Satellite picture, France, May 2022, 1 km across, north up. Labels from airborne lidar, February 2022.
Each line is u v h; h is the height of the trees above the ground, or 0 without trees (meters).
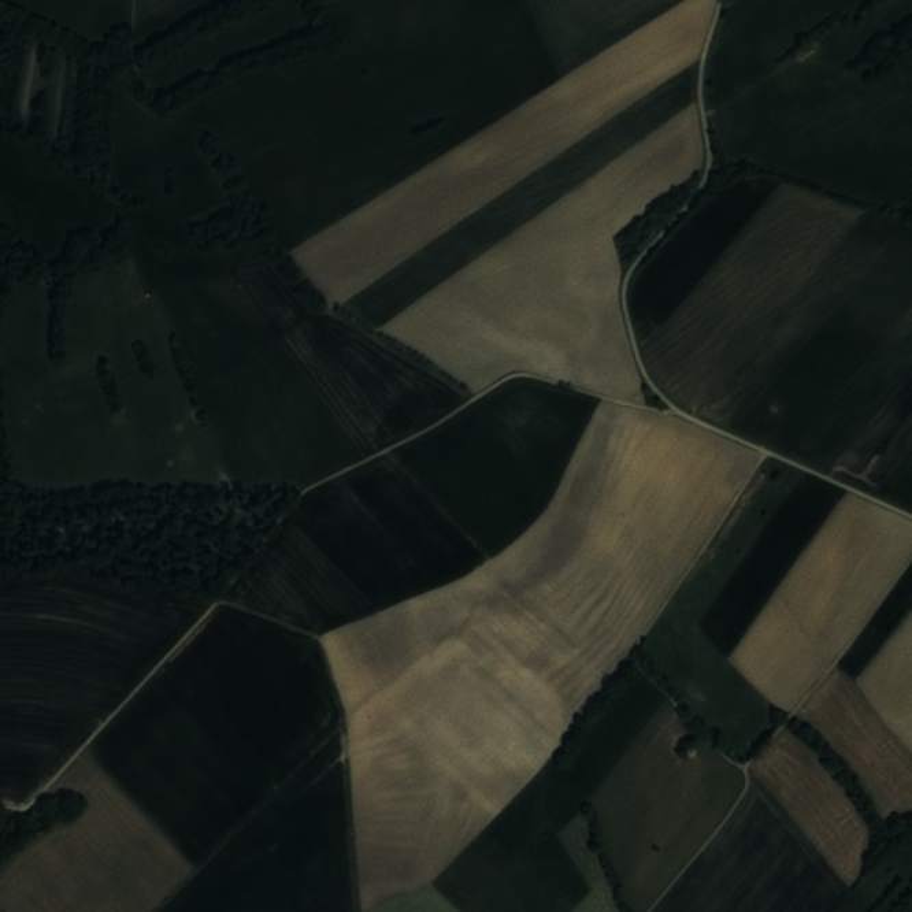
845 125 0
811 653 0
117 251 12
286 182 0
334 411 0
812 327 0
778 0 0
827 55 0
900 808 0
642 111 0
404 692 0
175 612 0
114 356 0
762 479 0
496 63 0
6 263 24
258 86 0
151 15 0
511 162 0
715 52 0
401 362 0
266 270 0
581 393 0
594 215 0
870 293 0
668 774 0
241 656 0
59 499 14
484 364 0
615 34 0
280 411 0
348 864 0
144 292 0
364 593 0
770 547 0
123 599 0
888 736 0
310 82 0
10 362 0
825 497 0
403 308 0
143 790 0
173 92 11
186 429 0
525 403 0
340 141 0
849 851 0
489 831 0
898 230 0
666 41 0
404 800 0
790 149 0
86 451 0
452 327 0
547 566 0
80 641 0
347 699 0
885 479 0
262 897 0
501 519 0
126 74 16
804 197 0
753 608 0
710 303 0
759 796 0
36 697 0
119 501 22
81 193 0
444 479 0
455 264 0
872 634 0
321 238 0
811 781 0
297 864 0
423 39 0
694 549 0
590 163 0
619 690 13
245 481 0
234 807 0
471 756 0
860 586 0
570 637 0
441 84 0
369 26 0
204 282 0
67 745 0
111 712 0
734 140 0
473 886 0
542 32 0
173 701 0
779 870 0
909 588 0
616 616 0
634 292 0
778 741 0
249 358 0
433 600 0
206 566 26
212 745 0
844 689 0
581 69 0
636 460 0
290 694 0
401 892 0
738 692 0
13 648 0
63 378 0
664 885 0
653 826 0
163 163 0
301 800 0
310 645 0
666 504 0
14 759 0
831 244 0
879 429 0
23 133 12
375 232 0
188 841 0
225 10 19
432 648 0
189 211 0
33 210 0
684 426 0
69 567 22
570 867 0
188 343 0
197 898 0
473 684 0
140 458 0
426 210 0
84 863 0
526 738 0
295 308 0
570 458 0
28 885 0
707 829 0
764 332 0
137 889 0
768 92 0
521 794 0
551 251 0
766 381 0
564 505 0
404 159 0
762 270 0
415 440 0
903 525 0
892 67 14
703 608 0
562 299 0
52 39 14
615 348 0
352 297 0
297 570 0
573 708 0
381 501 0
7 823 15
